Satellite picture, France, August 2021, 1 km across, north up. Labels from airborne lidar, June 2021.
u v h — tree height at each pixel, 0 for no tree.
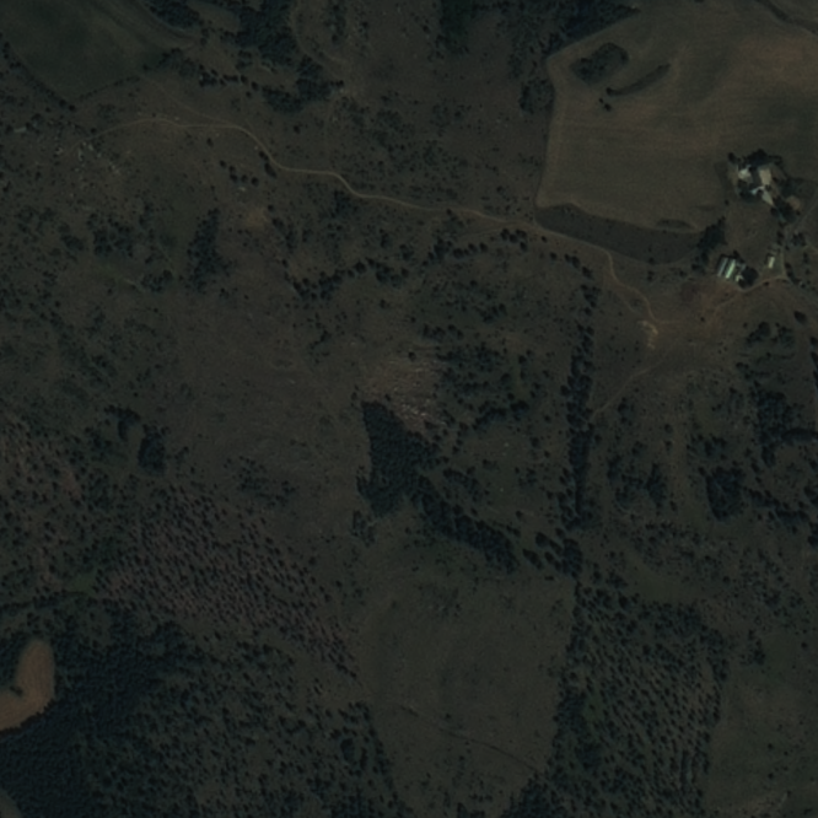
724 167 0
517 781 0
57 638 12
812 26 0
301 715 0
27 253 0
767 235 0
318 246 0
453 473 11
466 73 0
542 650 0
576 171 0
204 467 0
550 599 0
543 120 0
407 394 0
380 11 0
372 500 14
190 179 0
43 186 0
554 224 0
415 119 0
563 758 10
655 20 0
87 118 0
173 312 0
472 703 0
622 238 0
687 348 0
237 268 0
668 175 0
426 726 0
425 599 0
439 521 14
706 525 0
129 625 8
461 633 0
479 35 0
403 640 0
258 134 0
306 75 7
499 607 0
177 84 0
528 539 0
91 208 0
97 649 9
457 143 0
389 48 0
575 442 9
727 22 0
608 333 0
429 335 9
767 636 0
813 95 0
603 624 13
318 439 0
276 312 0
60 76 0
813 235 0
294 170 0
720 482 15
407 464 11
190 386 0
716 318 0
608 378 0
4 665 15
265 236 0
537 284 0
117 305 0
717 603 0
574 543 12
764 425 12
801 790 0
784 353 0
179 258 0
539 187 0
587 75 7
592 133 0
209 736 10
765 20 0
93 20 0
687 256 0
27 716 0
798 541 0
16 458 8
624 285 0
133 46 0
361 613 0
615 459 6
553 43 9
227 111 0
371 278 0
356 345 0
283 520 0
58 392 0
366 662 0
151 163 0
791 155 0
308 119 0
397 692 0
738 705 0
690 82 0
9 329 0
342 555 0
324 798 9
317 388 0
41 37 0
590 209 0
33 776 12
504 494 0
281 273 0
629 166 0
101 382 10
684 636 10
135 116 0
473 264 0
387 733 0
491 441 0
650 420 0
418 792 0
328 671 0
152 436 11
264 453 0
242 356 0
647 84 0
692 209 0
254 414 0
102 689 13
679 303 0
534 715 0
